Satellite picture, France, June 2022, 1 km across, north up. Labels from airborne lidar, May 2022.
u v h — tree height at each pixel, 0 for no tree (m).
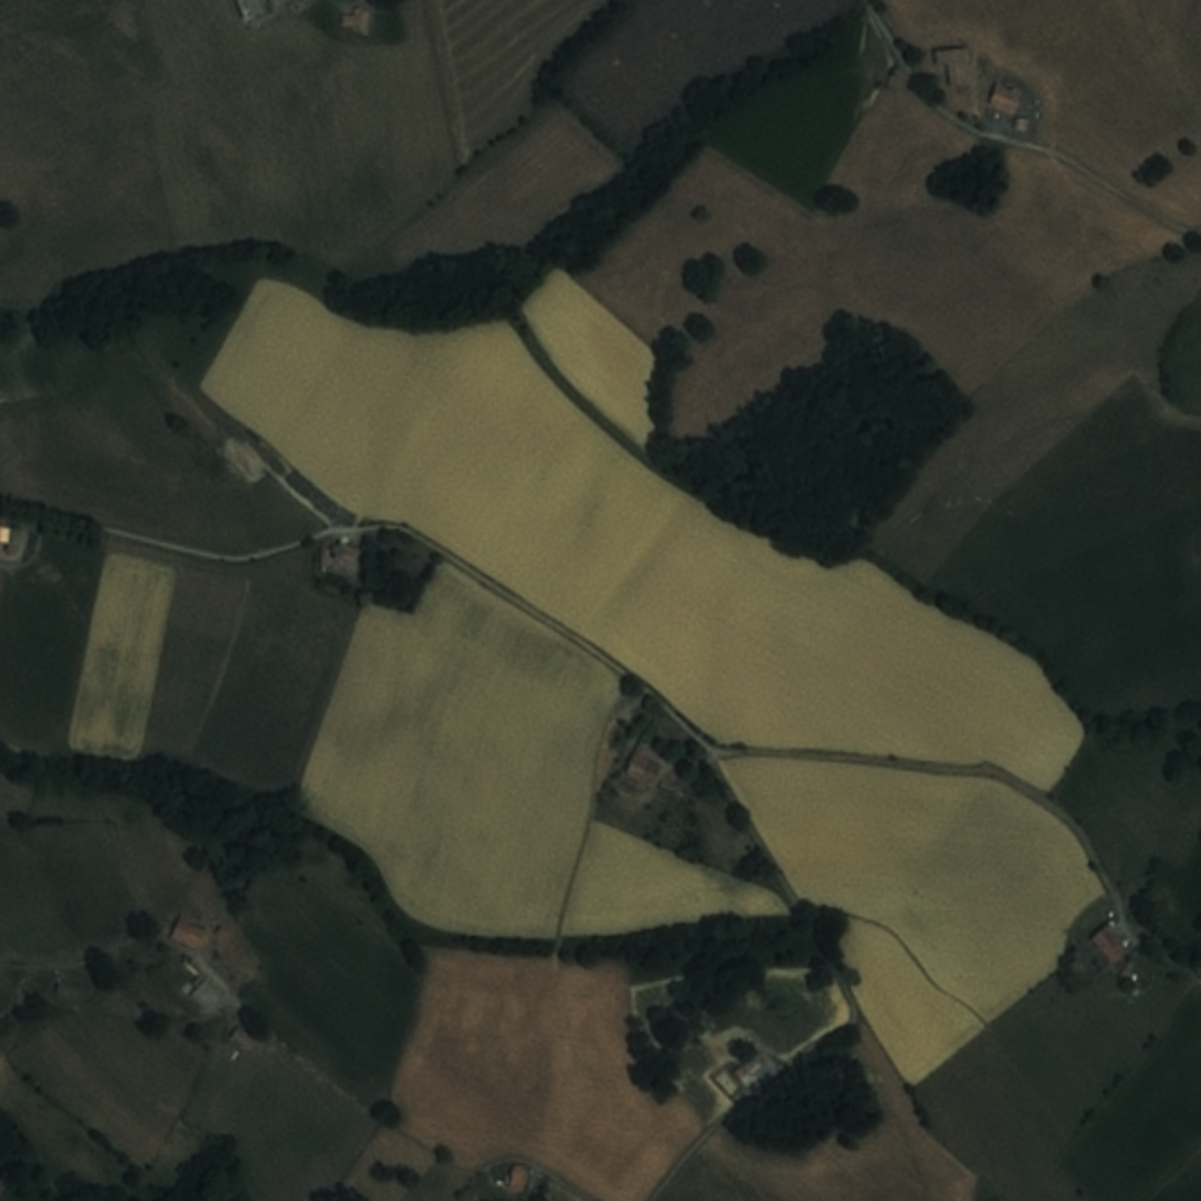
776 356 0
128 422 0
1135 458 0
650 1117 0
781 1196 0
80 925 0
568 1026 0
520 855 0
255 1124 0
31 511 22
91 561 0
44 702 0
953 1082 0
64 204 0
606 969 0
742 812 15
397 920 10
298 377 0
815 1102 18
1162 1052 0
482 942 13
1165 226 0
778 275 0
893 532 0
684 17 0
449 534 0
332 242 0
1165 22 0
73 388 0
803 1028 0
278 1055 0
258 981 0
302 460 0
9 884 0
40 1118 0
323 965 0
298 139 0
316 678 0
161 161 0
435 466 0
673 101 0
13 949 0
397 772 0
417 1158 0
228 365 0
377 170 0
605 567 0
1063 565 0
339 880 0
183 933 0
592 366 0
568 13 0
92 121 0
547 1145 0
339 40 0
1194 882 0
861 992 0
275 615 0
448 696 0
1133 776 0
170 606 0
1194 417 0
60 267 0
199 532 0
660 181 17
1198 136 0
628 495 0
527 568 0
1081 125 0
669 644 0
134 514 0
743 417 14
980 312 0
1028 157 0
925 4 0
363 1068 0
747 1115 16
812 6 0
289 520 0
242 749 0
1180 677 0
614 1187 0
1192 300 0
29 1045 0
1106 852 0
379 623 0
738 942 22
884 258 0
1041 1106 0
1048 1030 0
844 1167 0
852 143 0
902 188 0
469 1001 0
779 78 13
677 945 15
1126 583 0
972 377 0
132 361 0
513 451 0
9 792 0
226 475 0
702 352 0
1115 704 0
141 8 0
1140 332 0
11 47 0
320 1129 0
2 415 0
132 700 0
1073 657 0
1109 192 0
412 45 0
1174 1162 0
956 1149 0
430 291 23
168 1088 0
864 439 29
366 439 0
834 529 31
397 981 0
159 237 0
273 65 0
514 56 0
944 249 0
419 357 0
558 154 0
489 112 0
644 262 0
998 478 0
